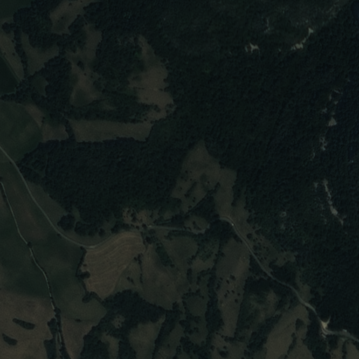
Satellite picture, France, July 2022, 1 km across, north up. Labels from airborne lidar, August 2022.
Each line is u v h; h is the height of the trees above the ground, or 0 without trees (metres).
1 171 0
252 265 13
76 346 0
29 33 14
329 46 26
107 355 6
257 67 20
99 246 0
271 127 10
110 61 10
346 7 18
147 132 0
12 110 0
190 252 0
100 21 13
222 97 16
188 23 8
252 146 11
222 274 0
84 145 9
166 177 16
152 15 7
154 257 0
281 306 10
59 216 0
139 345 0
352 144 15
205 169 0
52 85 15
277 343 0
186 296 8
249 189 8
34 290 0
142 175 15
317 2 6
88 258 0
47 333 0
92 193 11
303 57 16
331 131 15
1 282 0
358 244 18
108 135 0
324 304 8
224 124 16
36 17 10
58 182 12
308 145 11
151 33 6
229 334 0
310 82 23
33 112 0
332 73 25
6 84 0
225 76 13
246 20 10
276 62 21
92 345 7
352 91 21
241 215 0
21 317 0
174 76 11
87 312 0
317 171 12
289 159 22
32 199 0
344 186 15
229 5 6
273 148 18
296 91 9
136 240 0
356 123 16
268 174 10
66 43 16
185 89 14
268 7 8
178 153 20
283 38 8
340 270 14
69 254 0
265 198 17
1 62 0
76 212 0
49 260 0
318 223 7
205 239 14
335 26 12
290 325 0
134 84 0
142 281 8
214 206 13
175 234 6
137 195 14
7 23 12
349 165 6
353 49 21
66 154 8
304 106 17
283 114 17
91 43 0
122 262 0
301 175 16
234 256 0
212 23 15
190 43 10
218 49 10
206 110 13
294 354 0
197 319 9
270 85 29
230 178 0
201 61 17
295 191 9
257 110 8
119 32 6
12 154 0
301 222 9
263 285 13
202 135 9
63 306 0
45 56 0
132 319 12
